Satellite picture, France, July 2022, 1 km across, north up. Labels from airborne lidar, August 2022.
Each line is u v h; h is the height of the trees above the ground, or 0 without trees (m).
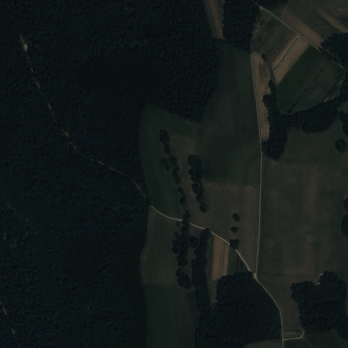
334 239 0
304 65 0
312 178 0
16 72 26
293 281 0
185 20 21
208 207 0
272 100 21
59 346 31
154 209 0
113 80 14
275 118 18
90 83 13
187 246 15
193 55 20
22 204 12
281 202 0
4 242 30
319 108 16
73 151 16
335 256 0
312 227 0
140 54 9
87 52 22
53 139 23
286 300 0
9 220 23
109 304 21
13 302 21
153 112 0
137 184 20
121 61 13
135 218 19
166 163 18
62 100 21
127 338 12
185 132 0
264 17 0
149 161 0
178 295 0
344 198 0
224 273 0
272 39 0
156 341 0
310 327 19
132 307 12
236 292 18
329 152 0
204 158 0
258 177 0
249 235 0
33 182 22
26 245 32
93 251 13
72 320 19
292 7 0
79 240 20
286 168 0
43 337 24
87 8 23
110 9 24
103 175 16
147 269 0
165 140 18
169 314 0
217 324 19
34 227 9
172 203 0
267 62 0
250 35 19
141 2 24
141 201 19
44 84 27
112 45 24
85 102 23
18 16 28
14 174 20
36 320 30
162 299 0
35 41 28
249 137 0
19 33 28
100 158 17
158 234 0
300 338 0
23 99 23
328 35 0
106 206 13
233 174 0
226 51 0
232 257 0
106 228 22
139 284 9
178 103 14
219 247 0
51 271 24
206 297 18
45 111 21
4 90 21
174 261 0
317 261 0
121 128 19
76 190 25
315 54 0
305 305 14
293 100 0
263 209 0
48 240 16
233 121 0
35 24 28
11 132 22
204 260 18
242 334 27
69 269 16
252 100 0
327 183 0
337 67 0
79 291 16
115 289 18
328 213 0
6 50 27
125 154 21
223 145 0
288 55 0
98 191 22
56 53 27
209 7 0
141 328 11
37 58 28
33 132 22
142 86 14
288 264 0
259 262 0
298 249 0
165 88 21
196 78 22
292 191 0
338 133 0
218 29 0
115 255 21
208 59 21
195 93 22
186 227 14
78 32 20
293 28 0
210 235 13
